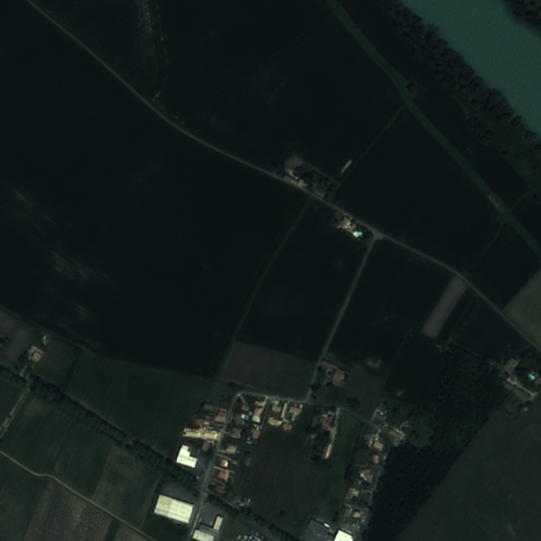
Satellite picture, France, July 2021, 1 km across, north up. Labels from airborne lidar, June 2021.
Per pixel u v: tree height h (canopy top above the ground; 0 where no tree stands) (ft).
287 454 0
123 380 0
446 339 33
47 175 0
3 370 76
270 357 0
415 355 0
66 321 0
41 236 0
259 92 0
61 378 0
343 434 0
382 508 34
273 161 0
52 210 0
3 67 0
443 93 0
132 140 0
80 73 0
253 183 0
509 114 88
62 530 0
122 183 0
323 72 0
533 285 0
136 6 0
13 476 0
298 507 0
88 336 0
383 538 42
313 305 0
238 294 0
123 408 0
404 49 0
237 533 0
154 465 67
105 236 0
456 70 107
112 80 0
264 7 0
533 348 21
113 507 0
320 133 0
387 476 37
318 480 0
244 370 0
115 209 0
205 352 0
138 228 0
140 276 0
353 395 0
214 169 0
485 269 0
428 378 0
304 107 0
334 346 0
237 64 0
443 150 0
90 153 0
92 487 0
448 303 0
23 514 0
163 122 0
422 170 0
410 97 0
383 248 0
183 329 0
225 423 0
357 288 0
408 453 49
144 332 0
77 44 0
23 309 0
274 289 0
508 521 0
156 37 0
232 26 0
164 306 0
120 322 0
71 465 0
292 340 0
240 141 0
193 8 0
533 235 0
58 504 0
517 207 0
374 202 0
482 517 0
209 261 0
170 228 0
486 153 0
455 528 0
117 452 0
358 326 0
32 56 0
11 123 0
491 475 0
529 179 0
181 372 0
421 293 0
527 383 18
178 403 0
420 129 0
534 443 0
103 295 0
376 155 0
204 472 0
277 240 0
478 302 0
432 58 59
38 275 0
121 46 0
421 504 46
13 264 0
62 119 0
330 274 0
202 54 0
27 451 0
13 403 0
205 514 0
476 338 0
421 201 0
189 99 0
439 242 0
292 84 0
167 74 0
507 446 0
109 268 0
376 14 0
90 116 0
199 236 0
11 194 0
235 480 0
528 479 0
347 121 0
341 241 0
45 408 0
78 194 0
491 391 32
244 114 0
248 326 0
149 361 0
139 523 0
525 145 0
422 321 0
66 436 0
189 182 0
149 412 0
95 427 64
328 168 0
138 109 0
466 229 0
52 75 0
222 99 0
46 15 0
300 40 0
